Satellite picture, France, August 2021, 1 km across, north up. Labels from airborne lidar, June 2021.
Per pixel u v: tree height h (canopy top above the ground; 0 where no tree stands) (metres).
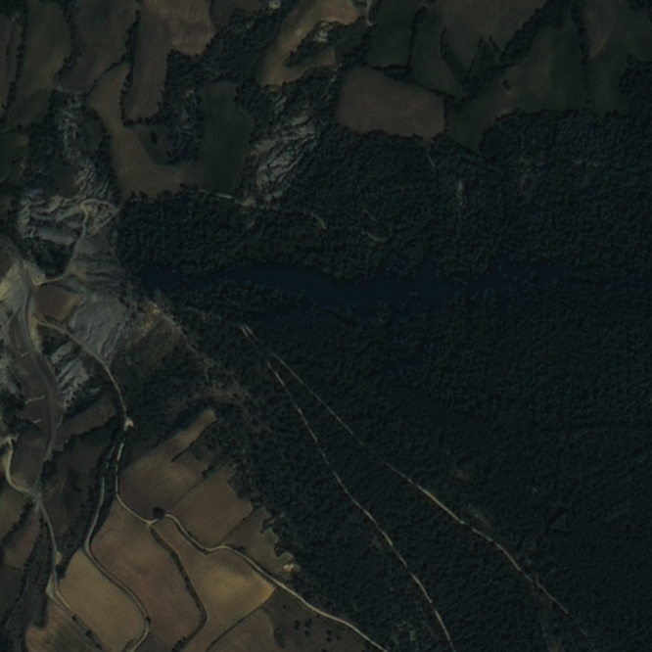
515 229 14
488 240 14
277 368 17
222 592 0
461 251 13
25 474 0
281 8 6
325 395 17
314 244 10
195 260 5
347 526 15
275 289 12
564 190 11
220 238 9
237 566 0
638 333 6
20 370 0
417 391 17
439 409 19
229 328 6
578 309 12
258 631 0
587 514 18
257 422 9
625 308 10
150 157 0
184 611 0
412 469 16
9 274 0
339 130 7
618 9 0
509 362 8
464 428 19
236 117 0
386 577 17
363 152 11
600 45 0
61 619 0
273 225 14
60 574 10
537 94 0
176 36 0
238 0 0
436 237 13
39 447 0
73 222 0
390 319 17
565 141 7
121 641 0
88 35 0
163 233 9
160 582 0
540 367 10
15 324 0
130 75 6
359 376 14
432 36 0
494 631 18
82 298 0
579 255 7
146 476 0
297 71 0
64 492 0
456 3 0
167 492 0
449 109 10
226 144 0
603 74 0
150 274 10
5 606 0
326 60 0
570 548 23
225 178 0
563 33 0
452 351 6
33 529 0
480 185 14
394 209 8
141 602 0
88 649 0
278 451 13
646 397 7
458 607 13
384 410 13
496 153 8
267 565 0
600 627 16
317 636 0
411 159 10
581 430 13
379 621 9
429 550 17
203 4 0
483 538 9
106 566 0
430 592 13
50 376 0
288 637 0
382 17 0
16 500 0
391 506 15
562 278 7
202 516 0
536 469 9
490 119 0
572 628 11
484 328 10
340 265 13
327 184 12
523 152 8
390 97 0
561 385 12
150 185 0
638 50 0
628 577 21
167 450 0
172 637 0
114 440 8
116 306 0
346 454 18
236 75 7
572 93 0
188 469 0
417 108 0
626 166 14
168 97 10
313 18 0
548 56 0
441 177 14
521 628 9
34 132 10
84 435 7
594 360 11
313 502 12
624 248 13
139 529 0
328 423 12
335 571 17
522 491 11
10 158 0
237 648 0
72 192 0
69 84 0
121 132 0
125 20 0
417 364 15
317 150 7
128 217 11
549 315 10
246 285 8
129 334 0
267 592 0
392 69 11
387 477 18
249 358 16
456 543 16
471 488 7
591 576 19
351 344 18
